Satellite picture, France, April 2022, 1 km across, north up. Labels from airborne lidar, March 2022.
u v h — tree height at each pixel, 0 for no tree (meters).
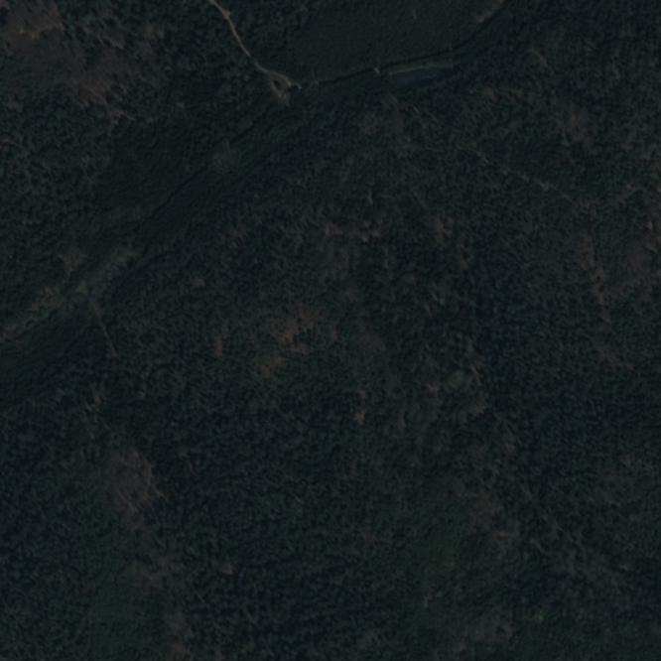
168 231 23
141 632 14
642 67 15
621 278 7
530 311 27
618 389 25
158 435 13
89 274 22
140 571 17
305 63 20
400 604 9
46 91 7
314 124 15
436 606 12
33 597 25
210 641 39
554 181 8
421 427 16
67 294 15
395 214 14
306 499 10
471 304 15
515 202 11
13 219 24
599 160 9
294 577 24
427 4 19
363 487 13
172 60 37
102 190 25
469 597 17
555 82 11
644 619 21
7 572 25
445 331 21
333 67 17
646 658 15
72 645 8
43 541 29
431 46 18
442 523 11
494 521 20
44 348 13
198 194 24
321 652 36
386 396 16
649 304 13
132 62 16
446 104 9
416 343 17
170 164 15
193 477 14
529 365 14
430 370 19
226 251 9
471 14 18
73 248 21
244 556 32
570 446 27
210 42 32
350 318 14
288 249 13
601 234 11
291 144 12
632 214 12
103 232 17
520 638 14
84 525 29
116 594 13
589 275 9
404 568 11
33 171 12
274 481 11
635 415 14
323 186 7
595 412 22
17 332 11
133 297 8
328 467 8
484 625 14
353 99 18
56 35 11
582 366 15
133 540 8
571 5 12
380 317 17
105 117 36
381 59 20
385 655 8
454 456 17
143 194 16
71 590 20
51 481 26
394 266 12
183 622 31
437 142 10
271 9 24
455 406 13
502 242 29
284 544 23
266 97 18
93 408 23
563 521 15
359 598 21
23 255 21
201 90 12
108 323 10
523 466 13
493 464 17
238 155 12
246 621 35
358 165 7
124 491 15
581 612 25
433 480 17
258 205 9
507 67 11
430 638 12
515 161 6
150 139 16
